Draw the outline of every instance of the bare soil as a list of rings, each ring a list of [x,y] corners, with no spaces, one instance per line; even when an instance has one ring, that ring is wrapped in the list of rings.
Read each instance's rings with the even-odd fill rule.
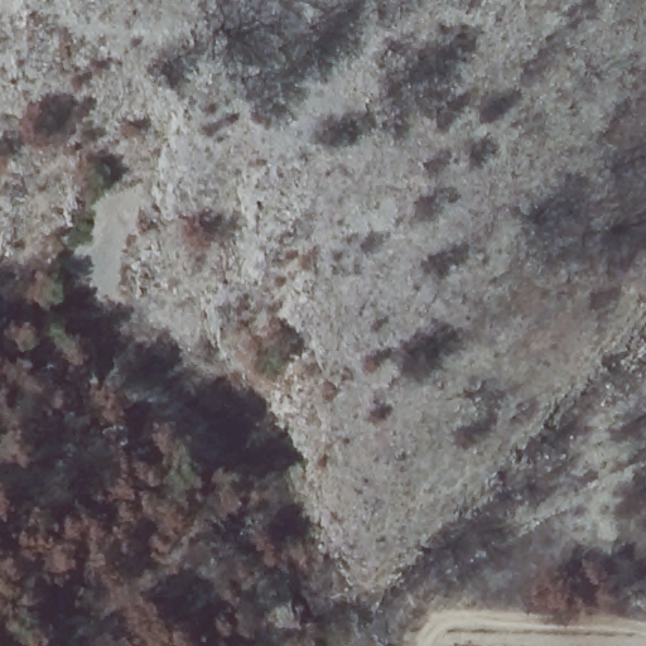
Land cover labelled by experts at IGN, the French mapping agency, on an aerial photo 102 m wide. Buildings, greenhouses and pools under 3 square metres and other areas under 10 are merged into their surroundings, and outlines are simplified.
[[[78,187],[73,184],[76,164],[88,162],[91,154],[101,151],[116,154],[126,172],[114,184],[114,189],[109,189],[96,202],[91,242],[78,245],[76,252],[61,250],[53,265],[38,262],[35,255],[40,252],[43,237],[56,232],[58,227],[71,227],[73,222],[71,217],[78,194]],[[61,303],[38,305],[28,300],[28,290],[35,285],[38,273],[45,273],[50,280],[63,285]],[[8,338],[3,331],[25,323],[33,328],[35,346],[20,351],[18,343]],[[283,323],[293,326],[303,336],[305,346],[303,353],[293,356],[285,371],[273,381],[255,371],[255,353],[250,348],[250,341],[257,336],[267,336],[270,331],[280,331]],[[68,363],[63,351],[58,351],[50,338],[50,326],[61,326],[71,338],[76,338],[78,351],[83,353],[83,363]],[[646,0],[0,0],[0,368],[5,363],[30,361],[30,376],[38,379],[43,376],[43,366],[48,361],[56,361],[50,381],[61,386],[66,401],[71,396],[91,391],[88,379],[106,379],[106,373],[114,366],[121,371],[121,384],[111,394],[119,399],[119,406],[114,419],[106,421],[103,434],[121,452],[136,452],[144,444],[146,434],[154,437],[154,429],[159,424],[169,424],[189,432],[189,437],[202,444],[204,457],[220,459],[222,464],[242,467],[245,477],[232,482],[235,495],[250,497],[255,479],[262,479],[270,472],[290,472],[293,492],[300,497],[305,515],[313,520],[310,532],[318,540],[318,553],[331,553],[333,558],[331,601],[361,601],[366,608],[371,608],[371,623],[358,623],[358,616],[348,613],[351,628],[343,633],[338,646],[409,646],[404,636],[409,631],[419,633],[429,613],[449,608],[522,611],[537,613],[543,623],[575,623],[580,616],[618,616],[631,621],[646,621]]]
[[[290,606],[280,606],[273,611],[275,626],[298,628],[300,621],[293,616]]]

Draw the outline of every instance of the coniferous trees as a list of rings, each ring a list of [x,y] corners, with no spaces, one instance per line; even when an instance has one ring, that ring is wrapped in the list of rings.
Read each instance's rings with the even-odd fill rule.
[[[35,346],[33,328],[25,323],[3,331],[8,338],[18,343],[20,351]]]
[[[83,353],[78,351],[76,338],[71,338],[61,326],[50,326],[50,338],[58,351],[63,351],[68,363],[83,363]]]
[[[333,558],[331,553],[318,553],[318,540],[310,532],[313,520],[305,515],[300,497],[293,492],[290,472],[270,472],[262,479],[255,479],[250,497],[235,495],[232,482],[245,477],[242,467],[222,464],[220,459],[204,457],[202,444],[189,437],[189,432],[169,424],[159,424],[154,429],[154,437],[146,434],[144,444],[136,452],[121,452],[103,434],[106,421],[114,419],[119,406],[119,399],[111,394],[121,384],[121,371],[114,366],[106,373],[106,379],[88,379],[91,391],[71,396],[66,401],[61,386],[50,381],[56,361],[48,361],[43,366],[43,376],[38,379],[30,376],[30,361],[5,363],[0,368],[0,646],[338,646],[343,633],[351,628],[348,613],[358,616],[358,623],[371,623],[371,608],[366,608],[361,601],[331,601]],[[300,621],[298,628],[275,626],[273,611],[280,606],[290,606],[293,616]]]
[[[35,285],[28,290],[28,300],[38,305],[61,303],[63,285],[50,280],[45,273],[38,273]]]

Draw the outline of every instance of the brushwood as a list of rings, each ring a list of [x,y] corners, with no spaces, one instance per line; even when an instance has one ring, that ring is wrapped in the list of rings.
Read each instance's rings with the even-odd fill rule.
[[[303,336],[293,326],[283,323],[280,331],[270,331],[267,336],[257,336],[250,341],[250,348],[255,353],[255,371],[273,381],[285,371],[293,356],[303,353],[305,346]]]
[[[71,227],[58,227],[56,232],[43,237],[40,252],[35,255],[38,262],[53,265],[61,250],[76,252],[78,245],[91,242],[96,202],[109,189],[114,189],[114,184],[126,172],[116,154],[101,151],[91,154],[88,162],[76,164],[73,184],[78,187],[78,194],[71,217],[73,222]]]

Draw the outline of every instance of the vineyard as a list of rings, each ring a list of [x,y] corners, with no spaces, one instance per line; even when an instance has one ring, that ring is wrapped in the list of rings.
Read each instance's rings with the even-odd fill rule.
[[[631,621],[618,616],[580,616],[575,623],[543,623],[537,613],[522,611],[449,608],[429,613],[419,633],[409,631],[404,636],[409,646],[646,646],[646,621]]]

